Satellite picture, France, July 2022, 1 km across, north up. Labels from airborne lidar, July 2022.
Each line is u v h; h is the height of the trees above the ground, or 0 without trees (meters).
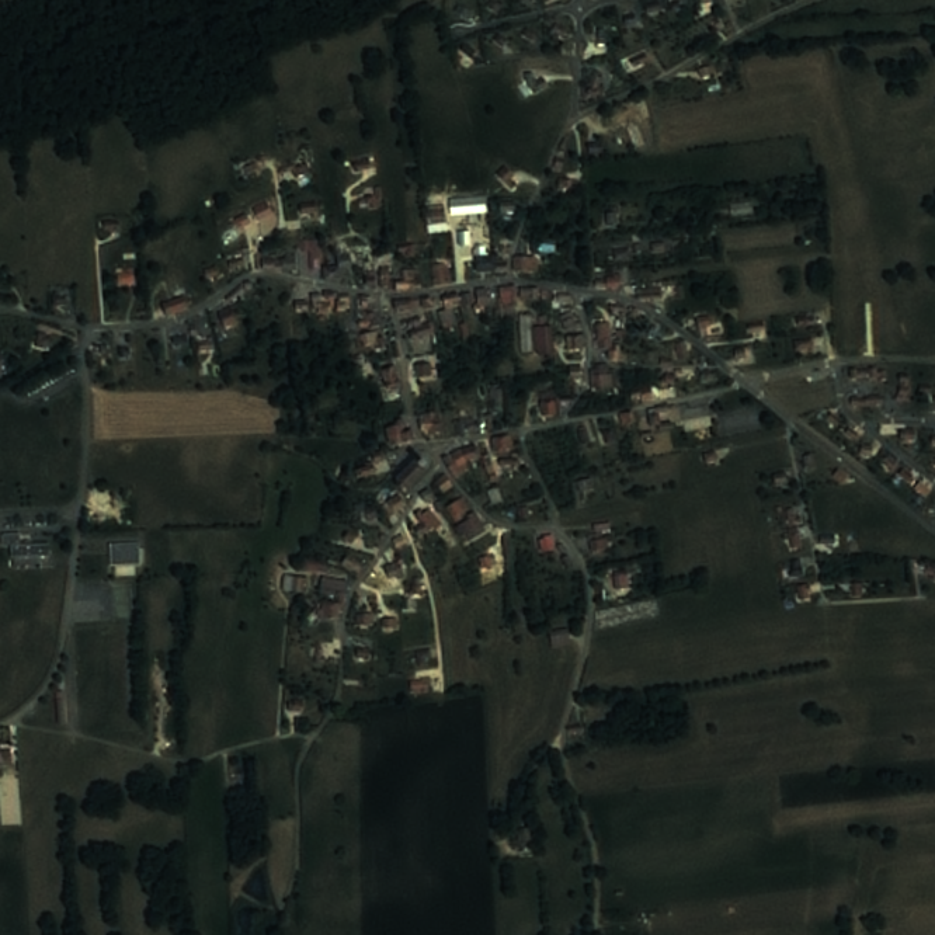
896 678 0
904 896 0
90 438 0
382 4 15
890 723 0
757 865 0
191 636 15
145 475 0
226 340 0
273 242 15
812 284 18
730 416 0
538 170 0
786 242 0
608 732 16
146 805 18
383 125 0
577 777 0
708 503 0
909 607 0
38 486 0
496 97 0
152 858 17
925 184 0
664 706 17
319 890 0
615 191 17
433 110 0
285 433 9
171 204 0
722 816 0
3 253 0
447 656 0
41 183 0
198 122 16
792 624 0
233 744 0
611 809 0
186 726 8
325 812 0
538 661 0
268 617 0
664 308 0
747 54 17
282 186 10
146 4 24
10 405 0
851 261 0
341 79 0
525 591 9
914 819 0
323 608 0
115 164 0
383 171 0
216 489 0
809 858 0
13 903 0
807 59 0
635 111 0
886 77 14
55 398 0
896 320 0
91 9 25
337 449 0
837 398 0
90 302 0
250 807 17
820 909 0
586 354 0
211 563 0
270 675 0
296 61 0
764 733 0
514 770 0
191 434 0
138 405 0
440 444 0
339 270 0
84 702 0
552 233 13
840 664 0
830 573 8
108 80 20
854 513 0
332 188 0
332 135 0
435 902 0
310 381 14
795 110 0
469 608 0
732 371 0
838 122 0
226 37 24
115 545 0
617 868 0
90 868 17
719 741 0
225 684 0
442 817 0
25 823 0
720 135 0
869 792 0
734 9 0
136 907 0
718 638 0
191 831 0
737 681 9
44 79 26
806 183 11
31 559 0
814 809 0
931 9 7
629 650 0
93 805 16
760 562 0
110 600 0
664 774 0
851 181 0
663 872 0
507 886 13
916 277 14
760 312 0
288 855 0
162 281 0
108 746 0
